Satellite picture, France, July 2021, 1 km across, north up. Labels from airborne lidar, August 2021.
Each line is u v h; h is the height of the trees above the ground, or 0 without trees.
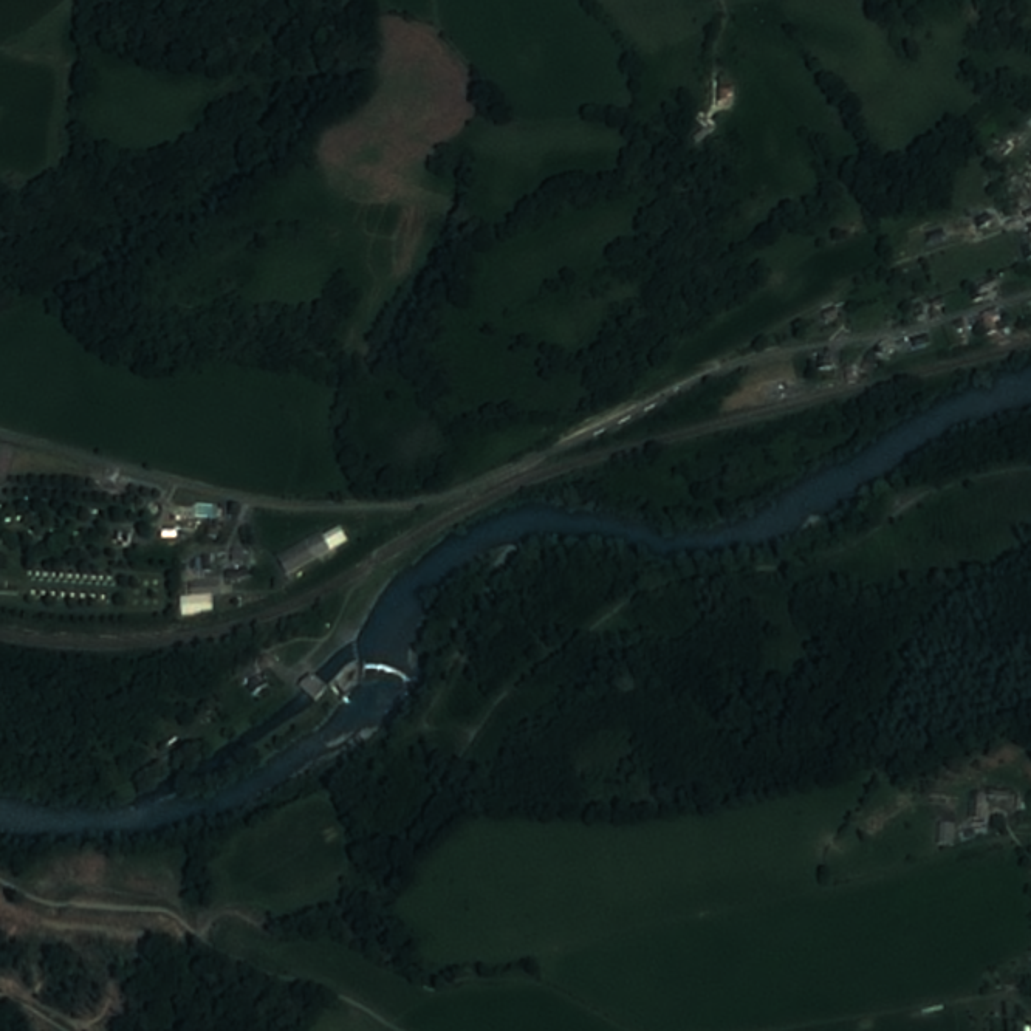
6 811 0
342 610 0
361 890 9
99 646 0
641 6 0
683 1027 0
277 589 10
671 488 0
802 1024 0
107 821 0
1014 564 20
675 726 16
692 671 17
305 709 0
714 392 10
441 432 7
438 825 14
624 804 24
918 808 0
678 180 23
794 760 19
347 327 0
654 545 0
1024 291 0
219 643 15
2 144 0
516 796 16
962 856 0
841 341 0
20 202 26
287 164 21
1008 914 0
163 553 0
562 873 0
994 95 17
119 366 15
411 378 15
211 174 29
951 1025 0
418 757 15
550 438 6
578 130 0
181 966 34
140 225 18
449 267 27
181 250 6
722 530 0
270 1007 19
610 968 0
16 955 23
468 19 0
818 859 0
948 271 0
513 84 0
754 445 9
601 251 0
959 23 0
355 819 28
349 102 24
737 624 14
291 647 0
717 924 0
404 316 15
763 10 0
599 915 0
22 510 18
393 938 29
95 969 17
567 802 18
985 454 15
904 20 18
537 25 0
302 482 0
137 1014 25
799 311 0
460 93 0
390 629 0
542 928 0
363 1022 0
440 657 6
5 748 20
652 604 6
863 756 24
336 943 8
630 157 20
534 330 0
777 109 0
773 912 0
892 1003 0
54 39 0
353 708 0
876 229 8
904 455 0
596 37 0
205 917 0
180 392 0
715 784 10
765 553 21
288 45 24
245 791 0
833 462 11
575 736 14
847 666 29
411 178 0
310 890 0
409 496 10
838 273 0
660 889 0
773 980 0
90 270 27
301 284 0
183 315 12
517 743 8
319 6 20
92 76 26
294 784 10
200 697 29
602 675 29
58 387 0
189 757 29
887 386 16
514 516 0
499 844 0
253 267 0
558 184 24
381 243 0
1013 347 0
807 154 0
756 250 11
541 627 15
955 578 19
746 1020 0
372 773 11
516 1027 0
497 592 28
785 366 0
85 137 21
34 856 24
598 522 0
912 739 27
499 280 0
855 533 28
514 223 20
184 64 30
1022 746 27
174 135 0
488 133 0
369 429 0
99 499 15
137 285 8
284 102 21
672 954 0
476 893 0
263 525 0
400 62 0
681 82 0
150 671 14
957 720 30
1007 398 0
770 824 0
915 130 0
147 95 0
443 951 0
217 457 0
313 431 0
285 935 20
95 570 15
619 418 0
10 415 0
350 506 0
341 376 10
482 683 15
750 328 0
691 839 0
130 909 0
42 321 0
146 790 24
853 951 0
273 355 22
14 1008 22
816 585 11
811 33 0
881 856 0
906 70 0
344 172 0
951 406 0
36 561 19
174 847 20
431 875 0
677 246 27
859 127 28
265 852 0
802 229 22
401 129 0
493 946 0
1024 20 10
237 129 18
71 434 0
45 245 30
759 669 15
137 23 32
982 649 28
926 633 23
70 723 24
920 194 25
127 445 0
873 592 14
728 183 20
